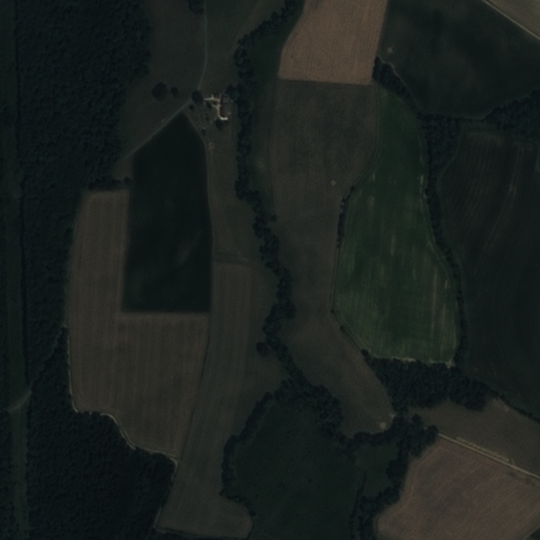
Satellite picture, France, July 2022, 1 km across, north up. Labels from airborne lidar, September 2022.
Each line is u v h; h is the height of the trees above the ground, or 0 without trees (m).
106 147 24
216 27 0
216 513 0
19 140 22
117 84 23
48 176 27
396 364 17
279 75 0
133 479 13
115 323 0
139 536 13
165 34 0
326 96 0
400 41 0
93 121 24
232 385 0
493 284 0
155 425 0
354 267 0
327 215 0
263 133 0
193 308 0
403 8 0
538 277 0
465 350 11
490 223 0
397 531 0
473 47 0
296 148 0
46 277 18
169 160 0
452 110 0
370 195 0
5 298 20
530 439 0
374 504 15
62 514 18
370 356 19
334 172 0
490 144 0
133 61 23
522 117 31
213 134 0
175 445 0
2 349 16
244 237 0
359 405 0
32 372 17
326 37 0
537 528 0
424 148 0
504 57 0
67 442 19
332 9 0
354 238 0
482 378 0
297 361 0
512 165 0
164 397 0
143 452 11
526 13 0
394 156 0
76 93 18
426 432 23
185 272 0
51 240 24
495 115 12
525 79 0
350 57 0
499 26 0
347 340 0
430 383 28
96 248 0
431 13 0
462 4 0
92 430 19
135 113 0
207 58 0
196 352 0
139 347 0
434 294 0
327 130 0
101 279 0
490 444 0
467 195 0
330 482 0
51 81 21
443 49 0
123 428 0
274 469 0
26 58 21
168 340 0
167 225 0
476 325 0
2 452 19
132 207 0
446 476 0
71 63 22
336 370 0
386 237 0
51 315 25
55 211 22
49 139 12
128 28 26
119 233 0
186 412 0
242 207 0
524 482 0
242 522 0
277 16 20
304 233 0
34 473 18
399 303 0
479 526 0
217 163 0
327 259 0
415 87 0
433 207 9
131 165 0
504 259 0
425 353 0
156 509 8
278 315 18
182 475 0
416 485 0
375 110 0
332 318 0
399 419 13
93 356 0
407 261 0
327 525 0
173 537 9
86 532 14
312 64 0
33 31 24
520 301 0
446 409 0
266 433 0
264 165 0
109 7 23
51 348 24
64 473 23
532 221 0
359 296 0
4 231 18
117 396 0
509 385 0
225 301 0
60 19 24
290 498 0
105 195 0
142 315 0
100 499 21
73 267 0
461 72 0
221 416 0
